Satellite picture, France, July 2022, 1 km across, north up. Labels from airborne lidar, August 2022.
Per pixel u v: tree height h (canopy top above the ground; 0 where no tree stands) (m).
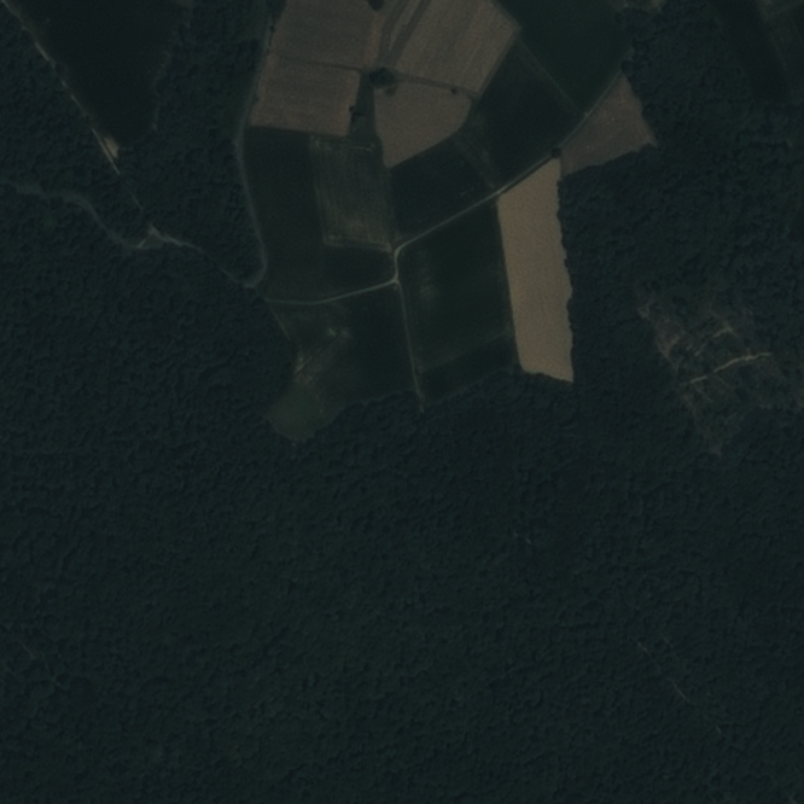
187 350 23
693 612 21
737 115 26
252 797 26
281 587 24
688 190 26
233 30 24
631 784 18
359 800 27
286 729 22
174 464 18
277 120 0
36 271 20
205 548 24
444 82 0
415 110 0
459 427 23
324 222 0
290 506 23
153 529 23
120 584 22
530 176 0
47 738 26
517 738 23
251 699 22
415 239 0
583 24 0
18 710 22
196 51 26
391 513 20
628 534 24
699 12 20
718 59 22
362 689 23
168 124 23
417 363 0
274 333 27
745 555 22
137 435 26
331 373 0
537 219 0
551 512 24
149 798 28
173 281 24
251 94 0
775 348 26
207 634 20
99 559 26
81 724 22
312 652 25
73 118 24
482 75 0
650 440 20
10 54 19
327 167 0
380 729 25
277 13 12
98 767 22
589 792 23
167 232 14
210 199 26
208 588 21
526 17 0
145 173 26
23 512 21
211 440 23
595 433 24
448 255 0
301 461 21
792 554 27
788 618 21
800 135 28
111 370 22
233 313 23
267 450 21
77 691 22
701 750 17
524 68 0
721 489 24
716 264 27
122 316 26
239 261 21
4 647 26
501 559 18
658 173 15
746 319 21
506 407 21
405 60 0
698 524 20
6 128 22
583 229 25
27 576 25
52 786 24
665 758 20
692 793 23
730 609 22
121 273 26
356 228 0
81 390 14
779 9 0
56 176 21
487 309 0
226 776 24
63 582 26
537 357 0
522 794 24
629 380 22
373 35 0
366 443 16
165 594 28
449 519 24
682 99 24
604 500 27
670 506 26
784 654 19
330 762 27
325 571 24
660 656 18
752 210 25
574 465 22
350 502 24
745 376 23
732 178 22
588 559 14
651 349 25
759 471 22
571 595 21
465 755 23
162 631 22
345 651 21
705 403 22
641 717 22
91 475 21
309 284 0
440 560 19
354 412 13
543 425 20
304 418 0
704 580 20
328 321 0
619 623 17
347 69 0
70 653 23
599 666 21
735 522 24
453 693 25
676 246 34
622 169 14
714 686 19
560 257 0
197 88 30
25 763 25
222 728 24
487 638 22
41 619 21
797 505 24
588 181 22
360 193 0
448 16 0
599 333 25
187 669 23
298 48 0
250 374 23
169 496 23
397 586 23
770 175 25
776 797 17
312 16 0
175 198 25
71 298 27
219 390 24
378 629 23
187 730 24
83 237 27
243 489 21
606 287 26
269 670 25
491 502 22
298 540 18
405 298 0
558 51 0
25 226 26
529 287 0
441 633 23
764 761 20
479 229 0
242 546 21
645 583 16
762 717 21
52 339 25
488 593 23
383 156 0
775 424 25
